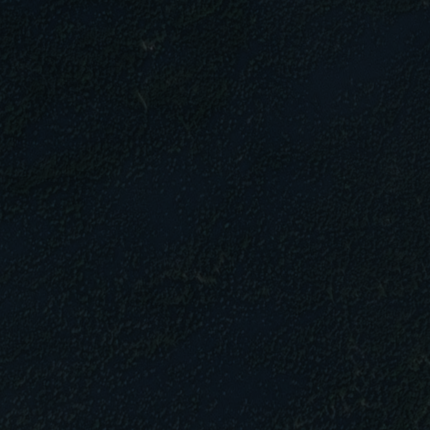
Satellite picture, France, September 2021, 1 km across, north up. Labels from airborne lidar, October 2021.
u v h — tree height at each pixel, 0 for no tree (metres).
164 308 17
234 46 10
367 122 23
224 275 22
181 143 33
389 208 24
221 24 14
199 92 13
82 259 23
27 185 19
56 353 15
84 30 32
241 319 24
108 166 21
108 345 37
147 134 14
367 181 24
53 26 7
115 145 21
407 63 23
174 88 6
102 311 16
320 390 10
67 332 11
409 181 13
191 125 17
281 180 23
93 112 22
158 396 36
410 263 27
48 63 22
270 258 14
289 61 21
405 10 13
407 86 23
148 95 6
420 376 14
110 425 19
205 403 15
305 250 20
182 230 7
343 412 34
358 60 25
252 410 30
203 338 10
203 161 18
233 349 34
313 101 33
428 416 15
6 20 21
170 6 22
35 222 13
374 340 12
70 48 35
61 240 30
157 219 22
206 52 15
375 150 22
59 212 31
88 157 22
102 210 26
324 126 12
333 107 24
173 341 12
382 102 25
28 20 14
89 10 7
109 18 12
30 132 7
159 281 29
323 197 12
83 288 16
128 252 23
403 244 19
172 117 10
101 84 28
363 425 24
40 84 31
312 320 15
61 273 15
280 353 18
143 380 25
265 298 17
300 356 27
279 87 25
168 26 17
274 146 13
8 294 23
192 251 12
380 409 15
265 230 16
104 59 21
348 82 35
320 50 23
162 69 23
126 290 13
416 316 9
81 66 28
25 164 17
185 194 22
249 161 24
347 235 25
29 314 17
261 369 10
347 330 8
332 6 17
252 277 13
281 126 15
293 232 24
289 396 20
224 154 16
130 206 23
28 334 14
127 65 29
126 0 24
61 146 14
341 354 10
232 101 15
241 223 16
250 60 8
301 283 17
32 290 12
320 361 22
